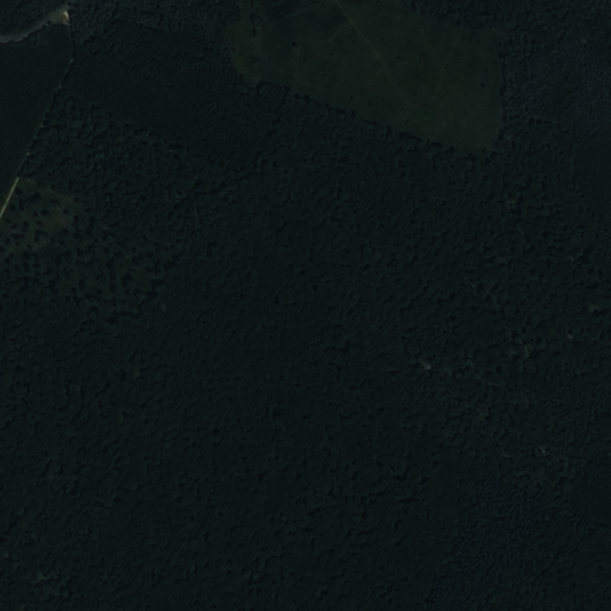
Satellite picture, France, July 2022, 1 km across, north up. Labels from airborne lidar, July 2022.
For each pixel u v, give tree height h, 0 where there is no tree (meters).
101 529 28
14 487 23
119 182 24
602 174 13
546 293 24
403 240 21
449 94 0
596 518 12
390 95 0
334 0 0
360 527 29
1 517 25
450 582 21
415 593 29
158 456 25
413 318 23
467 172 17
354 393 29
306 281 27
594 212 14
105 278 21
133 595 22
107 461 25
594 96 14
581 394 22
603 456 12
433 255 22
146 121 17
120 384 28
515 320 25
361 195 23
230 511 31
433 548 28
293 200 21
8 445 28
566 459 24
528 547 22
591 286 10
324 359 29
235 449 30
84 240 24
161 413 25
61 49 13
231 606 28
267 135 15
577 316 24
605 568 24
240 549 30
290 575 31
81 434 23
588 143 14
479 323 24
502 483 27
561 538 29
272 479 32
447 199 18
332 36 0
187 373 27
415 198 24
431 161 25
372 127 22
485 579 26
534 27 20
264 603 30
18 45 12
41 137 22
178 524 24
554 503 22
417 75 0
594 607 25
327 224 30
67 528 23
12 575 18
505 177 20
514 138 17
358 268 24
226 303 20
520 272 21
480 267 22
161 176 28
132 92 15
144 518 29
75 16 19
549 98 15
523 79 12
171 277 27
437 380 23
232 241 25
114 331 23
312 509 28
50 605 27
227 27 23
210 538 32
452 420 23
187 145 16
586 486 14
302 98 20
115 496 27
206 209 24
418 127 0
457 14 27
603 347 17
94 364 30
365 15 0
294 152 22
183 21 25
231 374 27
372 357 20
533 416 20
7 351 32
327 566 23
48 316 30
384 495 29
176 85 16
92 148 19
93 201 21
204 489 28
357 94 0
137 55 15
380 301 20
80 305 27
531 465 20
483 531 25
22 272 25
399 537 29
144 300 23
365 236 21
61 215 0
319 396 28
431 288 21
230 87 16
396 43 0
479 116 0
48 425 30
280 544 30
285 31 0
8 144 14
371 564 31
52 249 6
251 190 24
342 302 27
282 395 32
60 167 18
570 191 20
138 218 26
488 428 23
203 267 28
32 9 21
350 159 22
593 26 12
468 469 27
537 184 25
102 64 15
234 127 14
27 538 19
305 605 33
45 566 18
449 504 29
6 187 12
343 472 30
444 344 21
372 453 30
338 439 31
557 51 12
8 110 15
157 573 23
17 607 22
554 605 27
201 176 27
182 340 28
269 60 0
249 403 27
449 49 0
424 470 27
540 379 25
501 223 26
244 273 28
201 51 14
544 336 25
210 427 27
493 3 24
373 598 30
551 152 20
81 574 25
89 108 19
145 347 27
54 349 28
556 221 24
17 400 34
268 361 28
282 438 31
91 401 26
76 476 26
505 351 20
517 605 25
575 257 29
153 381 26
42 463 25
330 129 25
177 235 21
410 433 21
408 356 23
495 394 24
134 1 23
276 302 12
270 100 16
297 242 29
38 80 12
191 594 29
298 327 27
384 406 25
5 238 23
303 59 0
